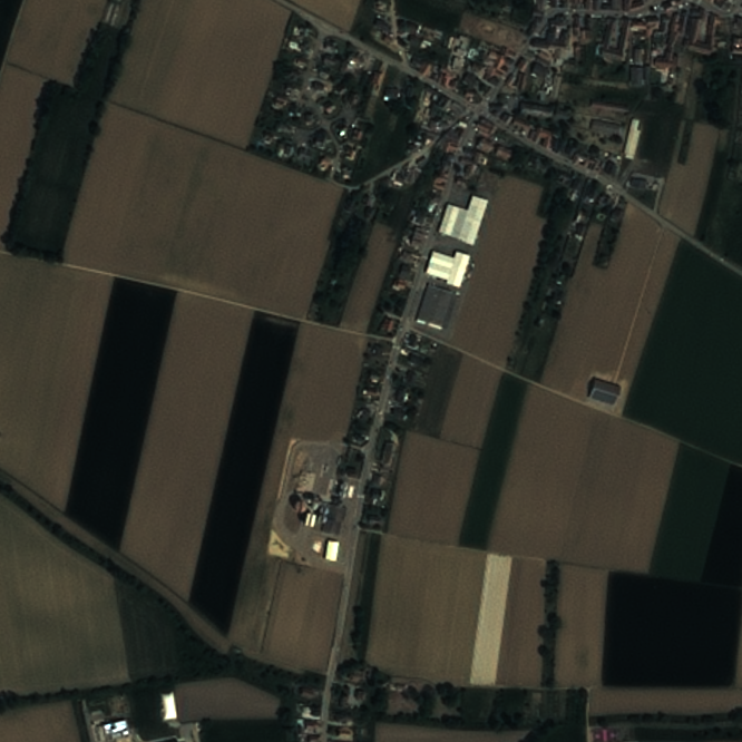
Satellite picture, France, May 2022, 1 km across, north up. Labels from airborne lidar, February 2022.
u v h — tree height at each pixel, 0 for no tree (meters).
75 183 0
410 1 0
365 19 0
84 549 12
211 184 0
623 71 8
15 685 0
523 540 0
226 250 0
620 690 0
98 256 0
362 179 0
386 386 0
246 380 0
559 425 0
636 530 0
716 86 8
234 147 0
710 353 0
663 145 0
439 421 0
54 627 0
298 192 0
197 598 0
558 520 0
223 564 0
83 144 0
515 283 0
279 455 0
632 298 0
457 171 14
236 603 0
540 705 0
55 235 0
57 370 0
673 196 0
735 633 0
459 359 0
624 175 0
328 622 0
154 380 0
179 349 0
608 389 0
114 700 0
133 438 0
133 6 7
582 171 0
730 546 0
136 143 0
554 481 0
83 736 0
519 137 0
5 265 0
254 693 0
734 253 0
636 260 0
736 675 0
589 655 0
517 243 0
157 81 0
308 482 0
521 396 0
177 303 0
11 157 0
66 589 0
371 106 0
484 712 0
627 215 0
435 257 0
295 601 0
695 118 0
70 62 0
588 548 0
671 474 0
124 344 0
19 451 0
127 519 0
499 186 0
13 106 0
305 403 0
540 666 0
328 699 0
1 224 0
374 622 0
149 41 0
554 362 0
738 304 0
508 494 0
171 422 0
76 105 0
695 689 0
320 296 12
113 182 0
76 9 0
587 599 0
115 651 0
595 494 0
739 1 0
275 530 0
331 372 0
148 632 0
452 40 0
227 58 0
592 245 0
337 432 0
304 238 0
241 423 0
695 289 0
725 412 0
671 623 0
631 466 0
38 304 0
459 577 0
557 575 9
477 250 0
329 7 0
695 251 0
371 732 0
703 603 0
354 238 18
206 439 0
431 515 0
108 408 0
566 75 0
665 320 0
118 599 0
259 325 0
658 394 0
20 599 0
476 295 0
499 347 0
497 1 7
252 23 0
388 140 0
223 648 0
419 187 16
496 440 0
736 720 15
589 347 0
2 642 0
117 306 0
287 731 12
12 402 0
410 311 0
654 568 0
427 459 0
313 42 0
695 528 0
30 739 0
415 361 7
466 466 0
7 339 0
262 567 0
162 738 0
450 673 0
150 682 9
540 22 0
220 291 0
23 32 0
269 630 0
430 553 0
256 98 0
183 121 0
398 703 0
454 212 0
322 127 0
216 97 0
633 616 0
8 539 0
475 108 0
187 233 0
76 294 0
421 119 0
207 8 0
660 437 0
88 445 0
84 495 0
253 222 0
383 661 0
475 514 0
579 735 0
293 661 0
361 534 0
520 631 0
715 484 0
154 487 0
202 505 0
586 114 0
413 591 0
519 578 0
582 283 0
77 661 0
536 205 0
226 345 0
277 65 7
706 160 0
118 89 0
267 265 0
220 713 0
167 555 0
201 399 0
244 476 0
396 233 0
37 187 0
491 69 0
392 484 0
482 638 0
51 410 0
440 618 0
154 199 0
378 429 0
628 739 0
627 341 0
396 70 0
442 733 0
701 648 0
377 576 0
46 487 0
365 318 0
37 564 0
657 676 0
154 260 0
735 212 0
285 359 0
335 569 0
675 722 0
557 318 13
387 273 0
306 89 0
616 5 0
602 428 0
